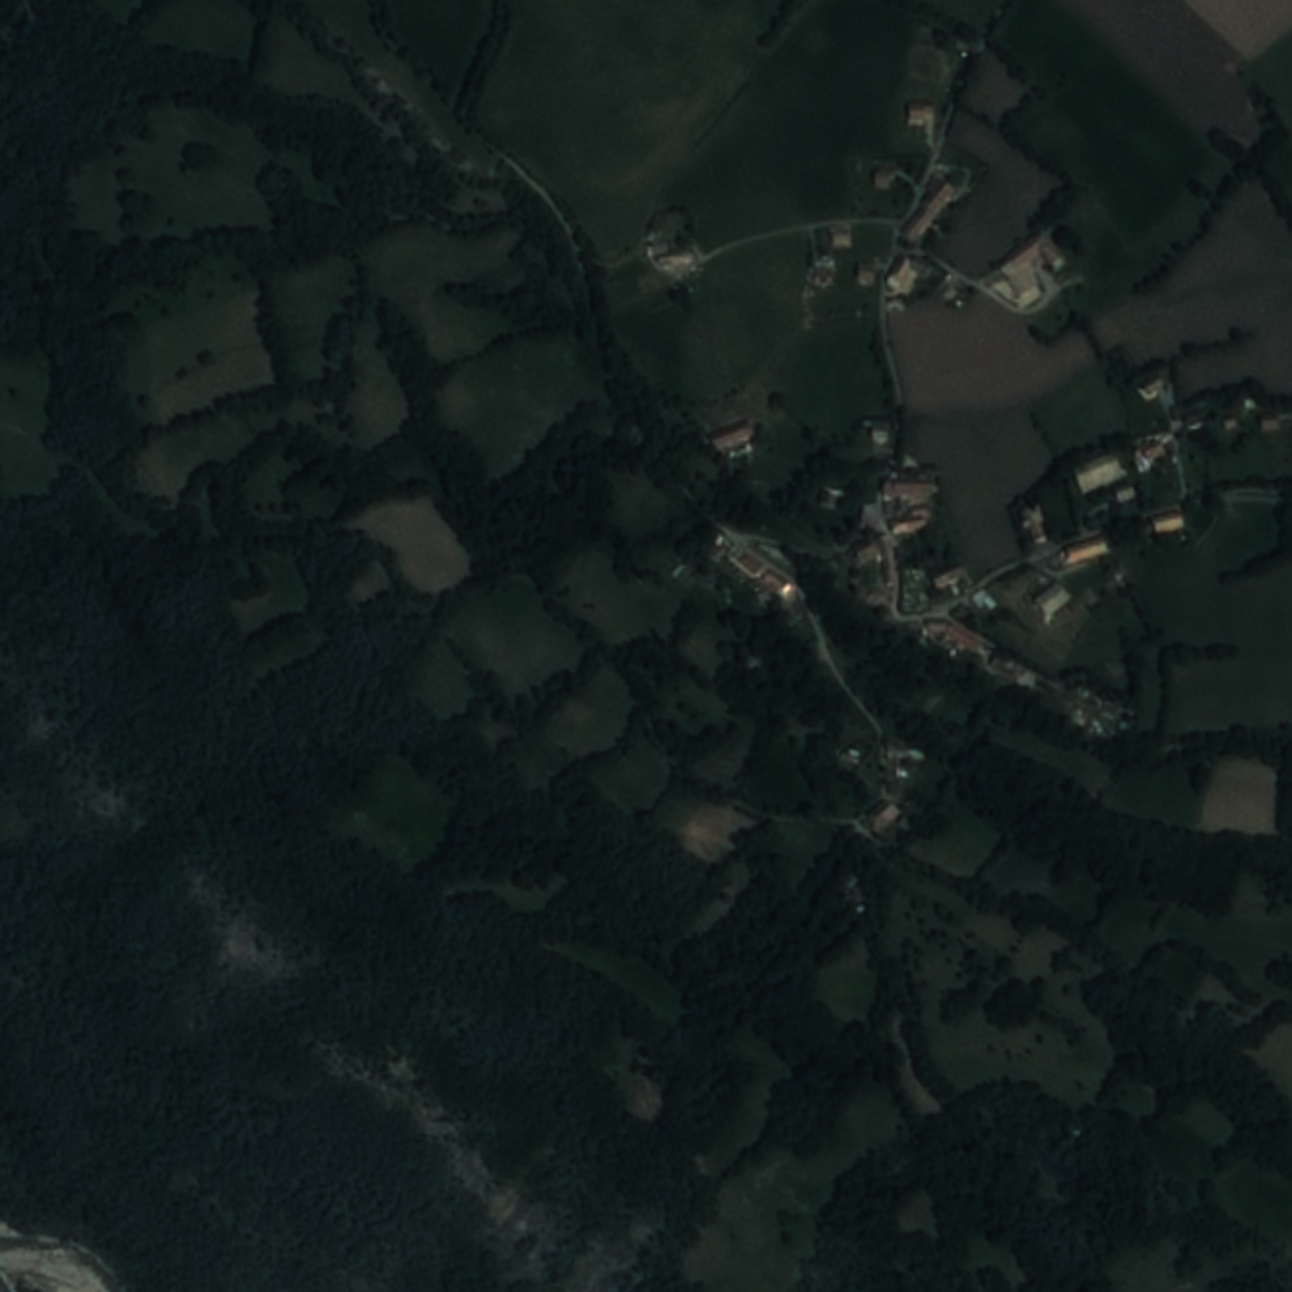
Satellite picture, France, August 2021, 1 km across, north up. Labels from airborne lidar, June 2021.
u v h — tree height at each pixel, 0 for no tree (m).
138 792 10
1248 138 0
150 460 0
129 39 18
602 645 10
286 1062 12
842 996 0
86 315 20
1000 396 0
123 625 21
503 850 17
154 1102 16
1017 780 27
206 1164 16
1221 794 0
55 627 13
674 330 0
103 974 22
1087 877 16
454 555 0
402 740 21
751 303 0
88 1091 16
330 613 8
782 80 0
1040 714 12
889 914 14
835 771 12
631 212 0
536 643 0
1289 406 13
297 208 19
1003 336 0
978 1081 0
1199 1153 0
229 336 0
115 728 17
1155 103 0
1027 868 0
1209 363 0
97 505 15
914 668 18
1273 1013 12
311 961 7
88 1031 14
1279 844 12
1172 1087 17
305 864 22
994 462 0
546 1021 19
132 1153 7
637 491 0
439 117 0
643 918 21
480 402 0
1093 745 9
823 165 0
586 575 0
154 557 25
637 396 15
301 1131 12
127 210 17
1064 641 0
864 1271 8
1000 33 10
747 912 18
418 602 11
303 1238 11
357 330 7
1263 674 0
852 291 0
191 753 11
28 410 0
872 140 0
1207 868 19
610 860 20
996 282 0
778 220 0
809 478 13
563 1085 12
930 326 0
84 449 20
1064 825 27
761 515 7
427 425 20
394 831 0
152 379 0
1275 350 0
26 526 18
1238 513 0
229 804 20
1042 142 0
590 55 0
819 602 15
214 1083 15
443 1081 11
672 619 0
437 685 0
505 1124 12
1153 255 0
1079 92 0
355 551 17
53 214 20
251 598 14
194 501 10
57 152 21
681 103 0
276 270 18
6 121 15
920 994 15
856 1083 16
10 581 14
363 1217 15
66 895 10
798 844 0
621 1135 16
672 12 0
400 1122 7
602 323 8
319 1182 14
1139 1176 24
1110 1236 15
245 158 0
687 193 0
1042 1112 18
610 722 0
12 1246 0
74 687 16
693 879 15
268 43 11
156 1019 15
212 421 14
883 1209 18
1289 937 0
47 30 20
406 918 23
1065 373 0
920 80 0
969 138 0
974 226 0
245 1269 6
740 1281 0
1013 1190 17
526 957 18
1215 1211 10
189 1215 6
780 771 0
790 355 0
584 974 14
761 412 0
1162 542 13
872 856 8
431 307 0
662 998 0
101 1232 12
